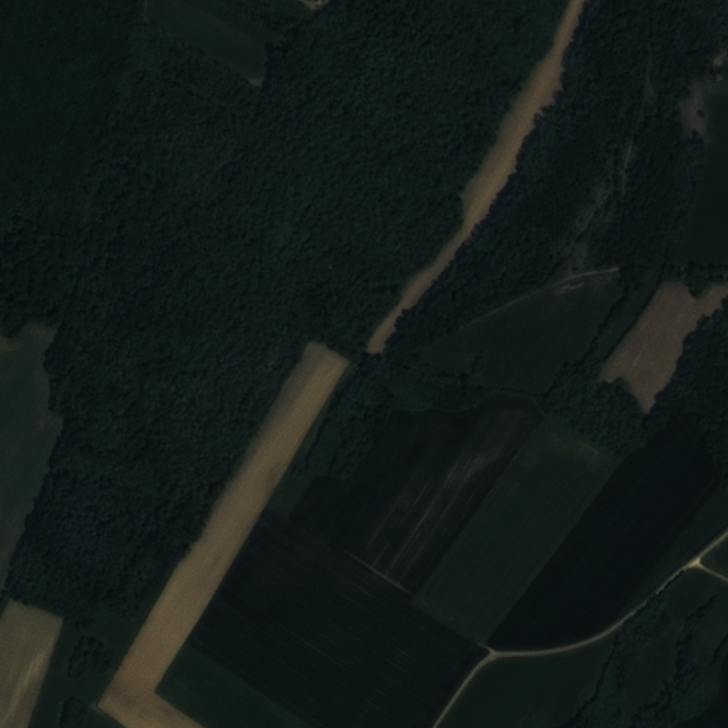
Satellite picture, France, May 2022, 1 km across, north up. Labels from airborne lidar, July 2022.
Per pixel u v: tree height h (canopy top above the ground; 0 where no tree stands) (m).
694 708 15
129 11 10
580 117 24
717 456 9
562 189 21
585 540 0
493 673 0
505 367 0
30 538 18
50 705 0
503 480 0
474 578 0
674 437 0
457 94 19
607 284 0
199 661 0
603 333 14
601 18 21
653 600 11
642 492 0
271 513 0
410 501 0
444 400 10
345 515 0
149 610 0
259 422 15
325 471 11
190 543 15
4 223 25
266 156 13
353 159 14
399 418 0
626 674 19
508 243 20
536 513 0
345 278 14
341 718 0
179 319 18
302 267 14
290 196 9
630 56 11
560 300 0
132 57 21
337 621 0
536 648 0
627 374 0
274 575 0
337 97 13
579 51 21
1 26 14
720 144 0
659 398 14
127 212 21
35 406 0
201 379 14
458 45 11
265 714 0
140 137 21
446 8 20
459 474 0
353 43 16
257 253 11
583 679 0
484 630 0
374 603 0
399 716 0
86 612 8
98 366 21
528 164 15
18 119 13
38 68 16
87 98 15
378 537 0
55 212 19
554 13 17
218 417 18
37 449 0
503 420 0
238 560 0
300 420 0
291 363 7
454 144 20
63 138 13
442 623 0
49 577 17
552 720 0
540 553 0
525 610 0
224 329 7
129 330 20
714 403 26
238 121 18
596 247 6
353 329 15
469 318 14
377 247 17
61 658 0
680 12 22
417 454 0
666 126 17
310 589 0
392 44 23
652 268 15
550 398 14
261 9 20
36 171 13
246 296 13
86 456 19
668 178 25
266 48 0
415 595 0
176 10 0
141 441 19
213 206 17
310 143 14
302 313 18
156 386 17
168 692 0
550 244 9
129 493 23
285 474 0
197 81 17
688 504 0
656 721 19
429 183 22
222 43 0
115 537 27
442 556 0
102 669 11
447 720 0
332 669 0
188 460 22
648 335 0
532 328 0
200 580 0
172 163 18
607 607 0
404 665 0
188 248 12
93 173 22
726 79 0
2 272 28
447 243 9
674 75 19
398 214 20
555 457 0
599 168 10
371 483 0
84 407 25
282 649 0
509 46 17
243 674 0
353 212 13
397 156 13
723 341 22
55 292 23
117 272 23
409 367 14
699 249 0
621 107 15
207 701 0
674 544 0
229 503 0
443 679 0
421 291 0
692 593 0
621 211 7
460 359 0
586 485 0
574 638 0
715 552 0
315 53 23
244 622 0
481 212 0
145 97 20
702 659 0
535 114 0
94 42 17
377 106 13
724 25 24
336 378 0
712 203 0
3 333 12
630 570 0
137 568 20
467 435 0
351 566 0
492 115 18
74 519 22
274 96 19
